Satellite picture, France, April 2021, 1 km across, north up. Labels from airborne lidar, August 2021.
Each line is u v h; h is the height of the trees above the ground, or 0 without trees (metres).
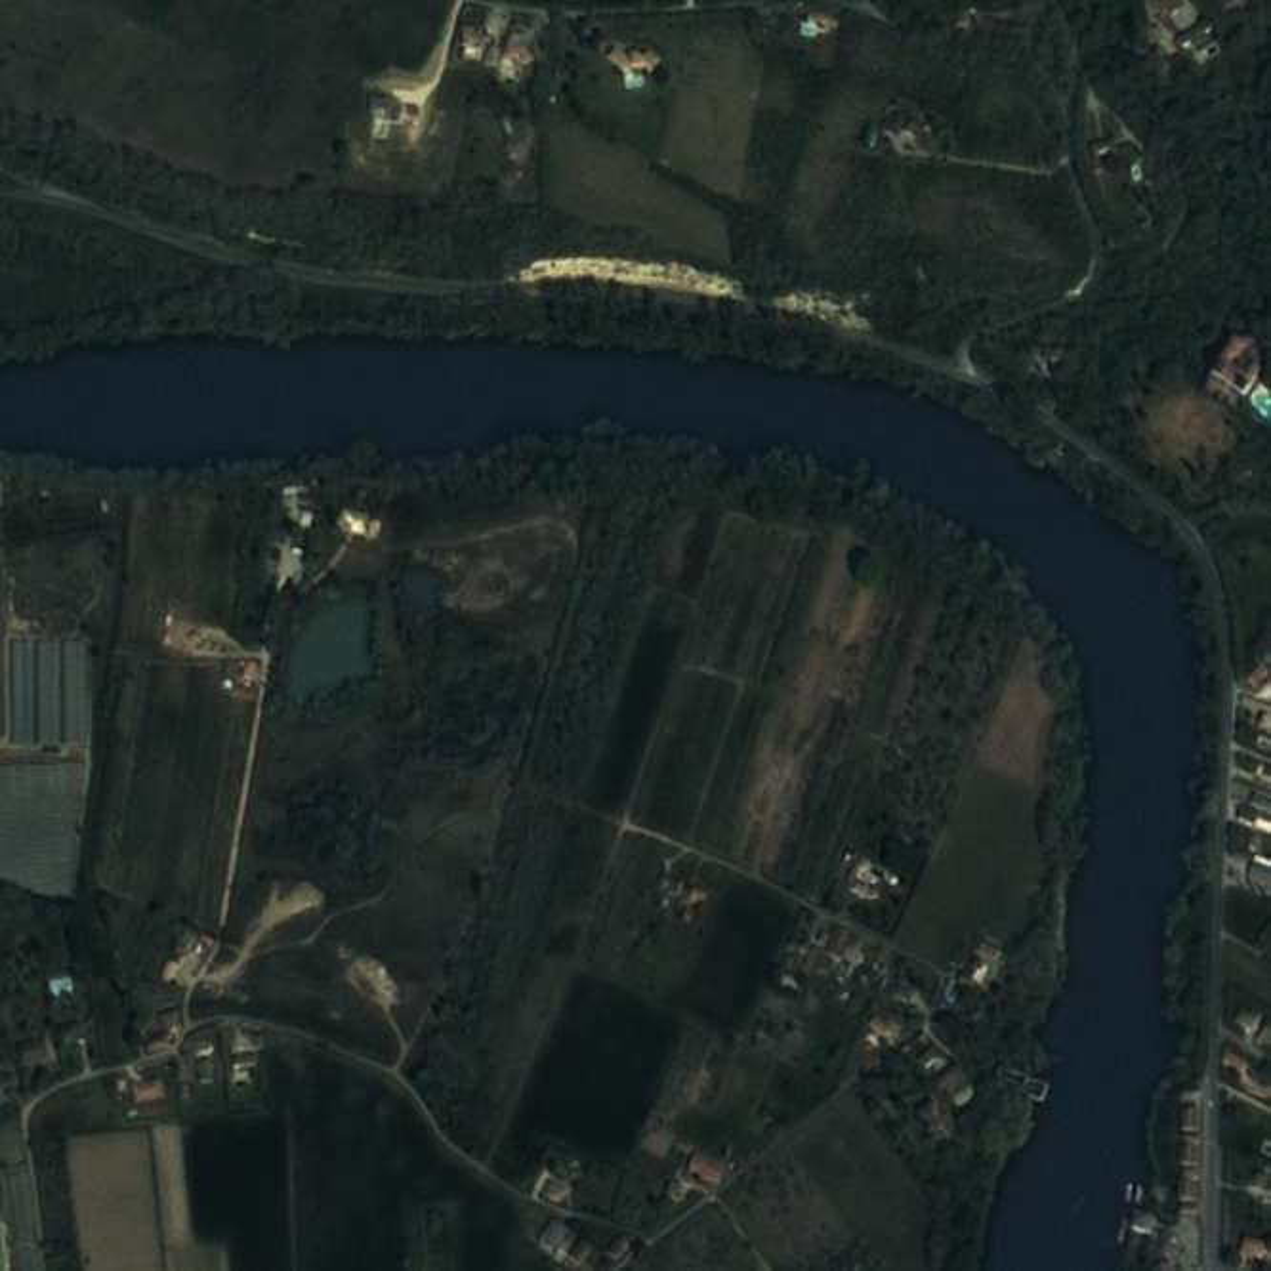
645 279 0
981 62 15
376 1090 0
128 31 0
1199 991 10
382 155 0
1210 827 7
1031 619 26
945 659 10
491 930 7
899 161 10
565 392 0
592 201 0
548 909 7
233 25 0
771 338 27
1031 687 0
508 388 0
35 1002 9
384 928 0
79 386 0
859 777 7
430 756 7
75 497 6
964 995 14
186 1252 0
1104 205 15
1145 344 27
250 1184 0
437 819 0
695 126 0
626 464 19
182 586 0
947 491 0
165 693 0
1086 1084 0
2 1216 0
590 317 22
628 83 0
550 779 9
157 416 0
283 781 0
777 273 21
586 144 0
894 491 21
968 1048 17
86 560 0
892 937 9
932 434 0
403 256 14
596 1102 0
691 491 13
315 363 0
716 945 0
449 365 0
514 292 14
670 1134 0
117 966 15
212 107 0
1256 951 0
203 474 23
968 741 15
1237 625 9
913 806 10
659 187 0
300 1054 0
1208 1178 0
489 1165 0
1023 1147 31
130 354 0
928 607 11
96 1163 0
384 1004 0
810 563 9
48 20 0
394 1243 0
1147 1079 0
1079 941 0
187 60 0
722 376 0
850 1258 10
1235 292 21
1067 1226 0
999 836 0
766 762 0
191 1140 0
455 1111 8
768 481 32
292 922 0
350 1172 0
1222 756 0
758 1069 0
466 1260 0
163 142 0
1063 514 0
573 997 0
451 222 18
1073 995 0
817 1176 0
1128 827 0
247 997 0
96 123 0
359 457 38
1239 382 0
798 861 0
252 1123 0
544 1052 0
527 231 19
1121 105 15
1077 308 9
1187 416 0
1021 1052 33
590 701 8
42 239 11
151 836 0
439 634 11
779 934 0
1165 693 0
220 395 0
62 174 17
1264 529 0
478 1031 8
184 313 13
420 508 7
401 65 0
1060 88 17
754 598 7
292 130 0
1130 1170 0
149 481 16
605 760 0
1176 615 0
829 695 0
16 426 0
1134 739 0
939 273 9
